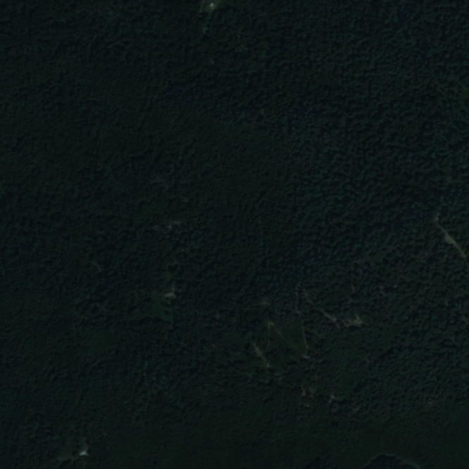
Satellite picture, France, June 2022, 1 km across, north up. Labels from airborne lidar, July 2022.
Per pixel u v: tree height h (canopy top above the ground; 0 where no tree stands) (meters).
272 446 18
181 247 23
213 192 26
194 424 22
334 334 16
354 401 28
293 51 24
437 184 22
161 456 21
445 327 32
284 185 24
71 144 32
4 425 21
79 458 8
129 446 15
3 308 21
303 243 40
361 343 16
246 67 25
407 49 19
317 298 17
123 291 32
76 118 29
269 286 26
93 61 30
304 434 19
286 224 21
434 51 17
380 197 30
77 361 31
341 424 23
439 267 38
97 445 15
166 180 28
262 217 23
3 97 23
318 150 11
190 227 17
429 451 16
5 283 24
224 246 23
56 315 30
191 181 23
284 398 23
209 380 28
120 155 27
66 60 25
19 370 17
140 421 25
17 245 29
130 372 19
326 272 27
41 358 22
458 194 24
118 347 28
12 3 29
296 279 23
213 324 27
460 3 28
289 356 22
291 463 19
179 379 22
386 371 26
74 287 33
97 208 16
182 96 25
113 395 22
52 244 34
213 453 24
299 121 25
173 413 17
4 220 32
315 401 16
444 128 33
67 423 25
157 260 23
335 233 24
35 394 24
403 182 13
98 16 25
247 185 28
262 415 22
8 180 32
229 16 25
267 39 8
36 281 29
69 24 18
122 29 27
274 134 23
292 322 22
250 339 21
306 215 36
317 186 41
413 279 31
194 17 15
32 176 31
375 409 32
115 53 30
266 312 13
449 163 17
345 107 21
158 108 24
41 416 16
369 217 32
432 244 28
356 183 21
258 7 32
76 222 25
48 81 14
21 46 34
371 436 20
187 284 9
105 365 29
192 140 22
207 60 14
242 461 26
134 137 31
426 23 19
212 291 22
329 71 24
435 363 15
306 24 27
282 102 21
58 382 29
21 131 27
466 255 11
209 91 31
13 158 27
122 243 17
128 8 28
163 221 17
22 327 23
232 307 25
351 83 25
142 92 20
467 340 18
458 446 14
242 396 20
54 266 28
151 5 31
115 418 23
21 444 28
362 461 10
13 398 23
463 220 9
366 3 26
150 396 22
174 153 20
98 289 7
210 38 17
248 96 29
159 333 26
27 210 39
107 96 26
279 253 17
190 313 25
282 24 26
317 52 33
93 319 29
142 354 17
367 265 15
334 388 26
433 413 14
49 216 31
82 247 30
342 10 39
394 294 32
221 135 21
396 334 26
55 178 35
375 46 24
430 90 20
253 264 31
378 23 24
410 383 25
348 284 22
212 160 26
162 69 32
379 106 15
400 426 15
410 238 8
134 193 29
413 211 28
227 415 28
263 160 24
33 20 36
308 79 15
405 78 25
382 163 24
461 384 17
